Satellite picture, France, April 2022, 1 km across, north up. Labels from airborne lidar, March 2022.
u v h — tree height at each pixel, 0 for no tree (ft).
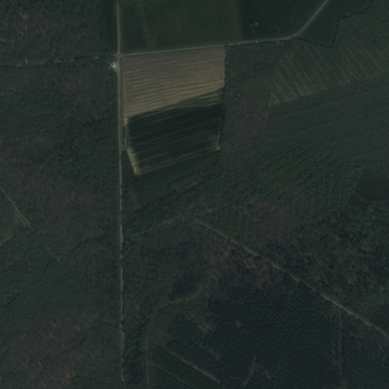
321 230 67
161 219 63
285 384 55
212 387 34
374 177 42
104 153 64
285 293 69
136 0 78
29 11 79
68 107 68
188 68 0
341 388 52
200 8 0
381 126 40
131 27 0
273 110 37
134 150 0
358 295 68
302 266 89
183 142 0
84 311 62
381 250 76
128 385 51
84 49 79
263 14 0
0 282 70
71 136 34
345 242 65
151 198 0
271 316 81
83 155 78
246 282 80
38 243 67
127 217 74
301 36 0
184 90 0
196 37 0
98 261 82
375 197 53
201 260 70
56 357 64
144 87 0
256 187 38
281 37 0
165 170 0
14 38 87
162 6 0
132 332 72
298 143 37
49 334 68
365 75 0
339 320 54
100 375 63
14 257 67
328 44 0
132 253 83
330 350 81
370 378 61
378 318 60
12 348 70
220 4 0
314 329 71
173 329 39
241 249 57
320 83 0
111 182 83
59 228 91
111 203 76
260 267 75
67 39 72
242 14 0
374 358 77
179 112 0
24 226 0
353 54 0
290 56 0
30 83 83
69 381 64
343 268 86
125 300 70
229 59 44
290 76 0
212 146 0
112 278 90
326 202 43
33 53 77
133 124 0
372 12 36
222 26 0
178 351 66
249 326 61
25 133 18
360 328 59
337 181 49
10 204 47
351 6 0
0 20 85
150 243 57
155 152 0
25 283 58
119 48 0
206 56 0
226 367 60
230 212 0
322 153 46
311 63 0
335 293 55
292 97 0
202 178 68
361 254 55
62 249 81
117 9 0
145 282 75
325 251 77
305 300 80
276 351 55
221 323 54
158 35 0
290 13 0
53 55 80
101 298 77
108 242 91
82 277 50
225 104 46
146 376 35
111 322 81
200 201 98
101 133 75
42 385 73
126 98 0
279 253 45
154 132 0
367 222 55
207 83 0
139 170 0
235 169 46
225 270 71
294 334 62
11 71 76
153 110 0
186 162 0
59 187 87
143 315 42
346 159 30
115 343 88
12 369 67
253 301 74
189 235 67
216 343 68
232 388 64
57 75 80
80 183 79
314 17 0
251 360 65
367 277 87
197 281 73
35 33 91
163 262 61
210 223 57
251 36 0
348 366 65
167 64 0
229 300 67
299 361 62
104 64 75
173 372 37
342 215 54
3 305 64
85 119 84
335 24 0
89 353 81
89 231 82
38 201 73
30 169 68
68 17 79
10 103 64
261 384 57
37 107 77
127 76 0
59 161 70
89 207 78
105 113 74
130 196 61
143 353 22
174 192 56
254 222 47
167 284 59
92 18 86
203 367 57
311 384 51
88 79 96
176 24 0
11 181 73
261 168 53
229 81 48
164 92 0
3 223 66
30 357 89
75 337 71
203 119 0
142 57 0
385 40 0
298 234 57
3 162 83
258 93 44
